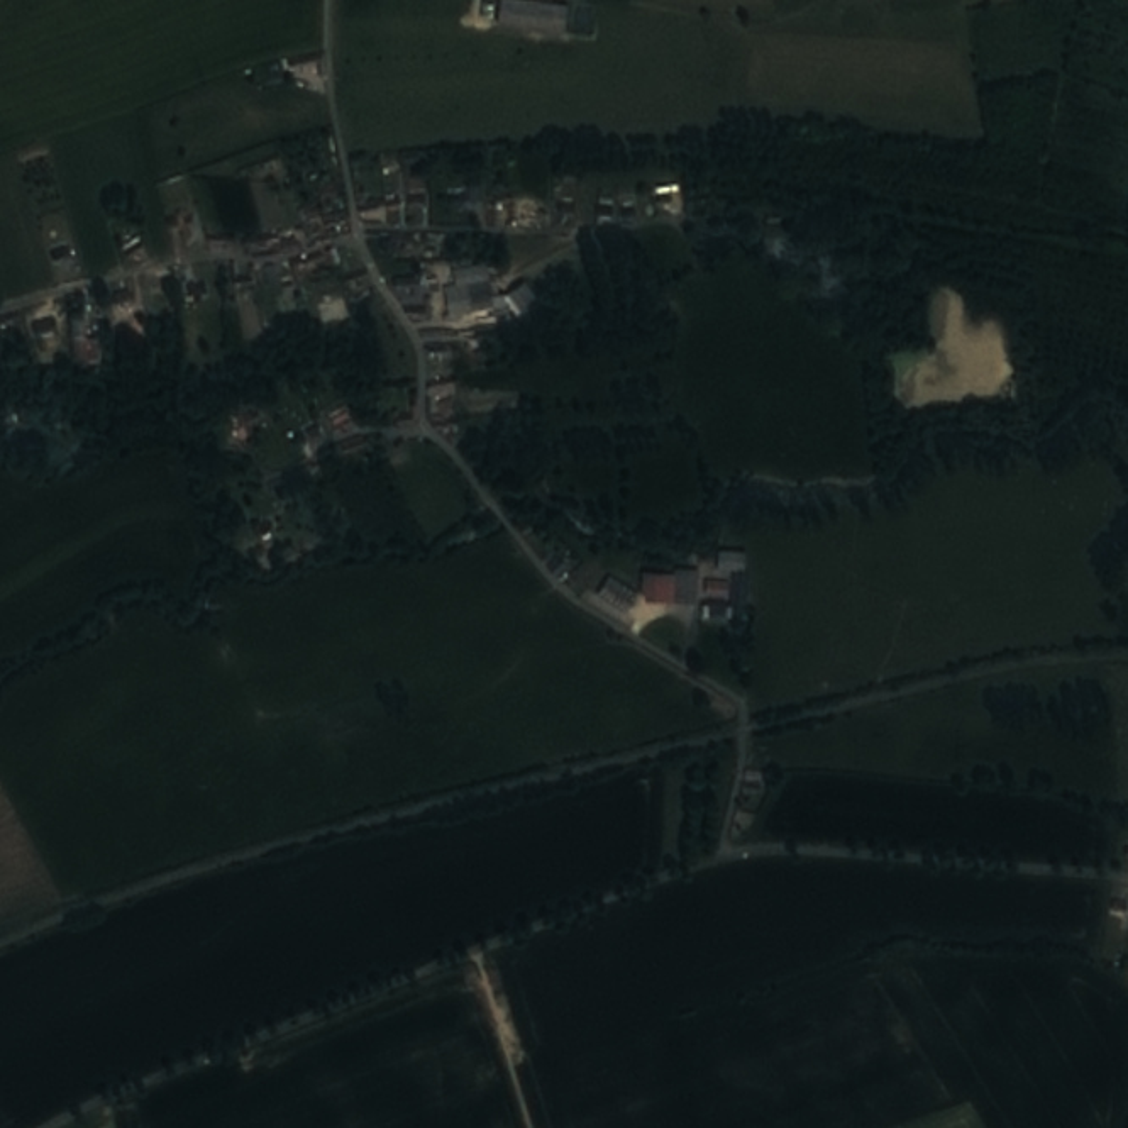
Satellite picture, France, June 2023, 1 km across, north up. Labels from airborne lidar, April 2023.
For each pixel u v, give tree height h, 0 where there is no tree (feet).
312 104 0
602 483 0
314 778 0
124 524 0
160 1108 0
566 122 0
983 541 0
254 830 0
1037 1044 0
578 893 0
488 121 0
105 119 0
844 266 34
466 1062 0
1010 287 27
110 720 0
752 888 0
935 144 44
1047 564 0
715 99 0
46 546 0
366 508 0
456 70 0
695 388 0
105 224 0
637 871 0
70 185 0
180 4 0
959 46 0
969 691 0
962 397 0
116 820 0
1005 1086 0
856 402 0
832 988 0
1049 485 0
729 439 0
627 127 0
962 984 0
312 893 0
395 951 0
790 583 0
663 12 0
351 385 47
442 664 0
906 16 0
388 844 0
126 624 0
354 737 0
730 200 45
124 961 0
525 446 117
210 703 0
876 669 0
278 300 0
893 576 0
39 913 0
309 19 0
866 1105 0
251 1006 0
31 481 31
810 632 0
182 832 0
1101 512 0
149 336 32
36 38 0
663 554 40
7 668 28
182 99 0
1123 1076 0
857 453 0
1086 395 43
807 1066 0
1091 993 0
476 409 0
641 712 0
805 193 59
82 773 0
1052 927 0
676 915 0
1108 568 105
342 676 0
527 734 0
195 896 0
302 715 0
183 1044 0
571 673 0
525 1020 0
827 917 0
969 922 0
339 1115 0
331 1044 0
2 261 0
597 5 0
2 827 0
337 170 0
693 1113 0
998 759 0
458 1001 0
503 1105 0
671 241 0
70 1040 0
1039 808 0
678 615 0
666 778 0
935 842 0
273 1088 0
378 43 0
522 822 0
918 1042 0
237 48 0
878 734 0
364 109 0
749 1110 0
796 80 0
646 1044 0
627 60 0
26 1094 0
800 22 0
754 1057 0
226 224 0
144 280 0
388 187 0
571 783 47
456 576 0
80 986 0
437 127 0
